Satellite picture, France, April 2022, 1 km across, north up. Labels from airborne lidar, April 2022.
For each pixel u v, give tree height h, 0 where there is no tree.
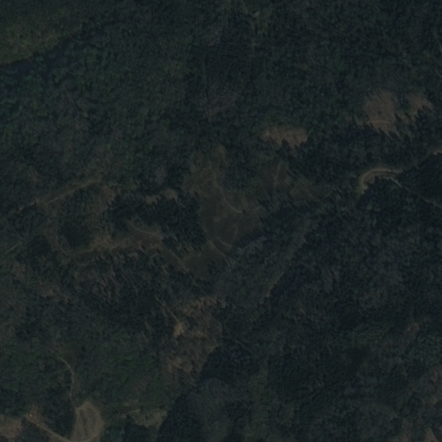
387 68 27
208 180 0
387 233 17
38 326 19
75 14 19
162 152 27
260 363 14
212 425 34
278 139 0
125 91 26
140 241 0
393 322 28
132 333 21
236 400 30
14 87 25
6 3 20
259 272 28
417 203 27
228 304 19
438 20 25
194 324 17
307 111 29
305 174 27
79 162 16
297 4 27
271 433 15
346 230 23
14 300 28
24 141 18
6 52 24
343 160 11
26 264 9
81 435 0
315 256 17
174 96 21
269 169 0
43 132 21
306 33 18
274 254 25
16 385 27
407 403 22
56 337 24
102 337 24
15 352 22
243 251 31
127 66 21
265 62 22
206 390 35
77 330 22
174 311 20
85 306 20
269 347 22
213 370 21
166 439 22
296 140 0
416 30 24
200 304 13
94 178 20
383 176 0
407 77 27
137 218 25
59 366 23
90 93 19
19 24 20
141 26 22
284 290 11
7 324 25
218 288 29
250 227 0
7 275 9
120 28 22
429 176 12
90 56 24
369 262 35
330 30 16
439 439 27
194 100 34
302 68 8
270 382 14
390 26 27
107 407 20
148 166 24
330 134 22
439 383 12
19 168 22
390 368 9
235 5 24
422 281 18
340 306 20
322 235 19
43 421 0
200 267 0
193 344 27
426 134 32
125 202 22
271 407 7
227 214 0
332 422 14
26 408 24
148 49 29
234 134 23
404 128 23
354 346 22
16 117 29
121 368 21
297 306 20
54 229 8
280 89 20
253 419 14
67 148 26
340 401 6
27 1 21
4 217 18
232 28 27
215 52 31
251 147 17
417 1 25
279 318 29
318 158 26
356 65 24
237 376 23
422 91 22
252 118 20
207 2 14
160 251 0
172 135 29
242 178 24
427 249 20
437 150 20
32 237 9
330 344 18
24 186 16
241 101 8
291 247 27
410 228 15
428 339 17
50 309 28
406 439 31
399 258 29
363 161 29
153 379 27
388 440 20
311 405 23
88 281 17
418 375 18
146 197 30
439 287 18
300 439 24
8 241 7
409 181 27
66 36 26
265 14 24
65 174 18
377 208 20
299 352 19
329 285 23
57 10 16
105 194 7
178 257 32
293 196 0
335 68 25
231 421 34
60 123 24
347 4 22
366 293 15
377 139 29
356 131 24
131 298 27
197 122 31
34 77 23
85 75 22
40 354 20
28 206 8
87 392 20
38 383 21
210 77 28
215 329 25
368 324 20
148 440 40
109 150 20
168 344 23
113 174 20
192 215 27
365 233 26
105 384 22
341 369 26
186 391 28
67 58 22
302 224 22
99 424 0
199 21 23
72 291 28
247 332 22
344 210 27
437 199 15
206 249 0
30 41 20
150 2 34
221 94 30
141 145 34
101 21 24
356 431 13
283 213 0
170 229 25
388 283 33
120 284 21
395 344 12
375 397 18
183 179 35
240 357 32
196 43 23
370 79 19
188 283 24
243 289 24
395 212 7
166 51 21
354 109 25
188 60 29
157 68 22
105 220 11
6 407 6
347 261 29
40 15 17
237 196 0
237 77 28
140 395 26
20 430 0
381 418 23
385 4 28
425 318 9
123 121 25
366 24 30
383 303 18
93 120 27
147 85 18
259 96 21
